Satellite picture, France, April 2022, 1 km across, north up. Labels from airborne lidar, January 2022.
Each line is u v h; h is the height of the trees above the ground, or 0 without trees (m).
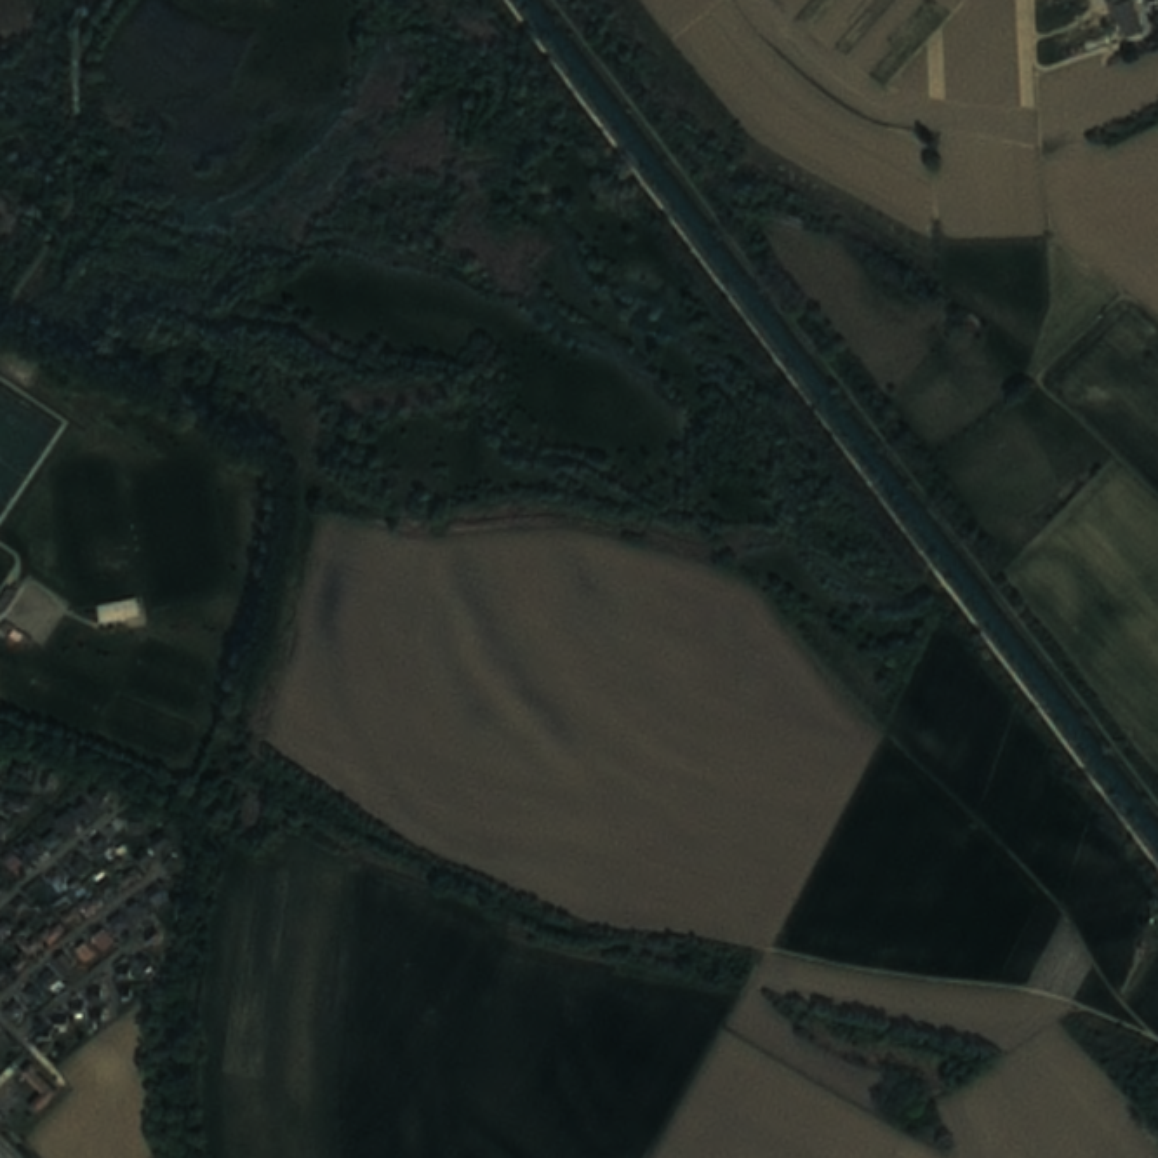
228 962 0
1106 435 0
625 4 0
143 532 0
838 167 0
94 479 0
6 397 0
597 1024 0
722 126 0
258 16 0
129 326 19
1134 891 0
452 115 6
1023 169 0
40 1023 10
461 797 0
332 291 0
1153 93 0
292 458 36
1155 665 0
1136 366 0
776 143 0
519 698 0
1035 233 0
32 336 35
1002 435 0
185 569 0
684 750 0
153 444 0
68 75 12
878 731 0
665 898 0
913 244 0
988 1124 0
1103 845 0
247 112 0
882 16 0
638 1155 0
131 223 13
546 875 0
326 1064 0
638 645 0
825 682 0
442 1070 0
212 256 8
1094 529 0
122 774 18
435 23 16
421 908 0
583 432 0
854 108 0
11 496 0
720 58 0
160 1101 13
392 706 0
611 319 0
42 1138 0
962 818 0
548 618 0
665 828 0
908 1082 16
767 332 0
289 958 0
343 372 6
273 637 33
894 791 0
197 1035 27
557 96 12
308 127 0
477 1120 0
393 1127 0
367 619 0
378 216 12
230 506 0
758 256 14
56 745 20
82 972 0
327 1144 0
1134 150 0
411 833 0
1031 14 0
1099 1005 0
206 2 0
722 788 0
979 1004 0
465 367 9
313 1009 0
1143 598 0
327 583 0
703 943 8
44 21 12
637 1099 0
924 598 15
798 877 0
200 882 11
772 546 0
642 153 0
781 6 0
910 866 0
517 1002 0
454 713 0
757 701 0
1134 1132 0
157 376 39
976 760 0
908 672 12
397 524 9
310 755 0
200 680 0
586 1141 0
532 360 0
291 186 5
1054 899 0
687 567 0
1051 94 0
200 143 0
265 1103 0
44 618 0
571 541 0
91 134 7
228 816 16
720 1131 0
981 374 0
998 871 0
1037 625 7
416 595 0
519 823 0
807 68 0
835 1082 0
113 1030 0
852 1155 0
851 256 0
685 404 9
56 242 14
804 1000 10
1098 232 0
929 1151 0
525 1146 0
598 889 0
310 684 0
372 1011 0
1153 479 0
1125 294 0
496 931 0
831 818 0
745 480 0
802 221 0
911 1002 0
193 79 0
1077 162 0
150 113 0
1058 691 0
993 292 0
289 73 0
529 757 0
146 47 0
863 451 0
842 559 14
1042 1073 0
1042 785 0
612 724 0
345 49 0
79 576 0
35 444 0
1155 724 0
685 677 0
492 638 0
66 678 0
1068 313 0
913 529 7
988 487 0
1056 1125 0
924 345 0
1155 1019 0
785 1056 0
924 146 0
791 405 22
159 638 0
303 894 0
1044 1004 0
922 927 0
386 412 16
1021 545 0
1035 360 0
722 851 0
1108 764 0
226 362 13
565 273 0
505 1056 0
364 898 0
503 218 6
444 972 0
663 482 0
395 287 0
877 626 0
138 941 0
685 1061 0
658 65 6
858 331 0
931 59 0
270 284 14
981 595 0
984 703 0
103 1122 0
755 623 0
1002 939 0
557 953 0
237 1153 0
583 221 0
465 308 0
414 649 0
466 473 0
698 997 0
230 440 35
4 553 0
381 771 0
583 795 0
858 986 0
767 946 0
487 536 0
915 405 0
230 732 20
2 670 0
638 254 0
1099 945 0
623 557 0
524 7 8
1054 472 0
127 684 0
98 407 0
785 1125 0
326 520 0
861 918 0
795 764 0
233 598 0
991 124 0
